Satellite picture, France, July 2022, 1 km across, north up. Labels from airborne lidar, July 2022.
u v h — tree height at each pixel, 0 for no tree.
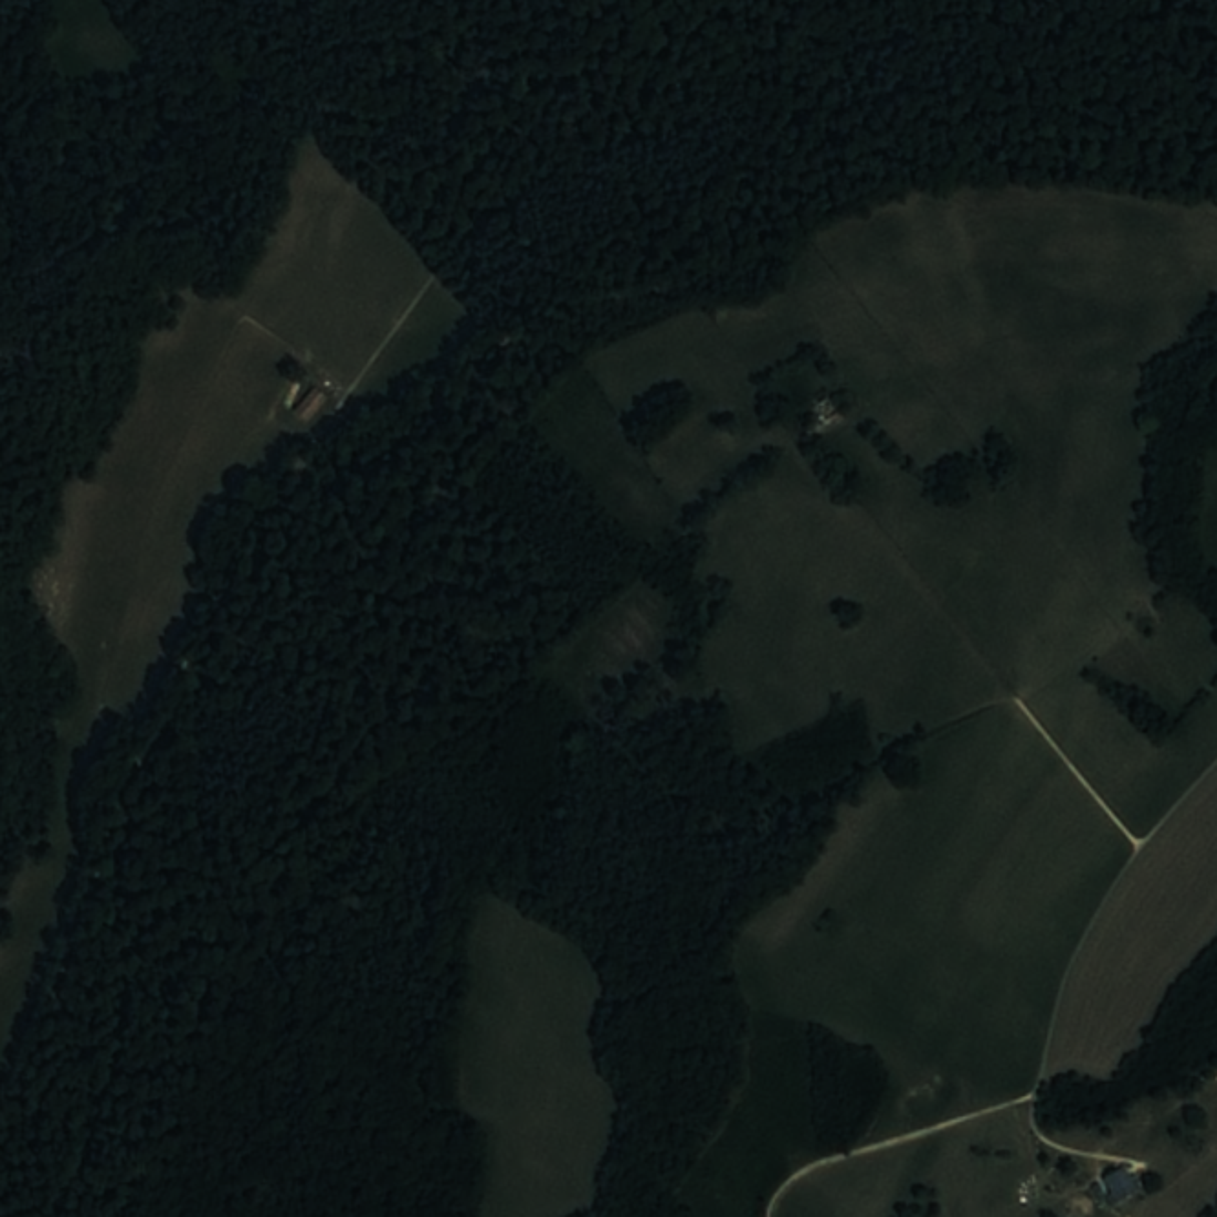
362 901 23
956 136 29
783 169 35
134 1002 33
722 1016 23
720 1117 13
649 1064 22
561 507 11
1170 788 0
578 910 17
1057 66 28
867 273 0
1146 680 0
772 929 0
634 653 0
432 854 19
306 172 0
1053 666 0
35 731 22
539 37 32
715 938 23
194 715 32
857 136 33
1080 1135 0
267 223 21
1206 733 0
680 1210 14
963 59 31
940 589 0
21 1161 33
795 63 28
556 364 9
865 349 0
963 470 13
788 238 28
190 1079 31
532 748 8
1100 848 0
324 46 29
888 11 28
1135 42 27
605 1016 16
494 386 24
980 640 0
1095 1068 0
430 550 12
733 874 17
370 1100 24
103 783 30
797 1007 0
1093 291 0
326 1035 28
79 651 0
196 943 12
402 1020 19
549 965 0
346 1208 18
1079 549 0
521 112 29
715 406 0
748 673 0
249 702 26
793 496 0
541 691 7
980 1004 0
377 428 31
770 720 0
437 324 0
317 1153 18
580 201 33
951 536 0
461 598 30
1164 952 0
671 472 0
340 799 7
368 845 24
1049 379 0
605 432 0
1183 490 19
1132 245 0
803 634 0
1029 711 0
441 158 29
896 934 0
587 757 19
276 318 0
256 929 27
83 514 0
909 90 30
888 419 0
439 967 15
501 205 16
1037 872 0
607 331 12
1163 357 9
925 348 0
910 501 0
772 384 14
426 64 32
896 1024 0
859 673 0
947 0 26
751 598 0
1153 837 0
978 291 0
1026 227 0
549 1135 0
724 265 25
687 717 19
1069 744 0
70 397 18
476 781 7
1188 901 0
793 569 0
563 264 27
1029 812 0
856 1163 0
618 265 24
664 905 18
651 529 0
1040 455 0
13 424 22
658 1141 16
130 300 24
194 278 19
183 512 0
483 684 28
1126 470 0
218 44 29
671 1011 20
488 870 20
